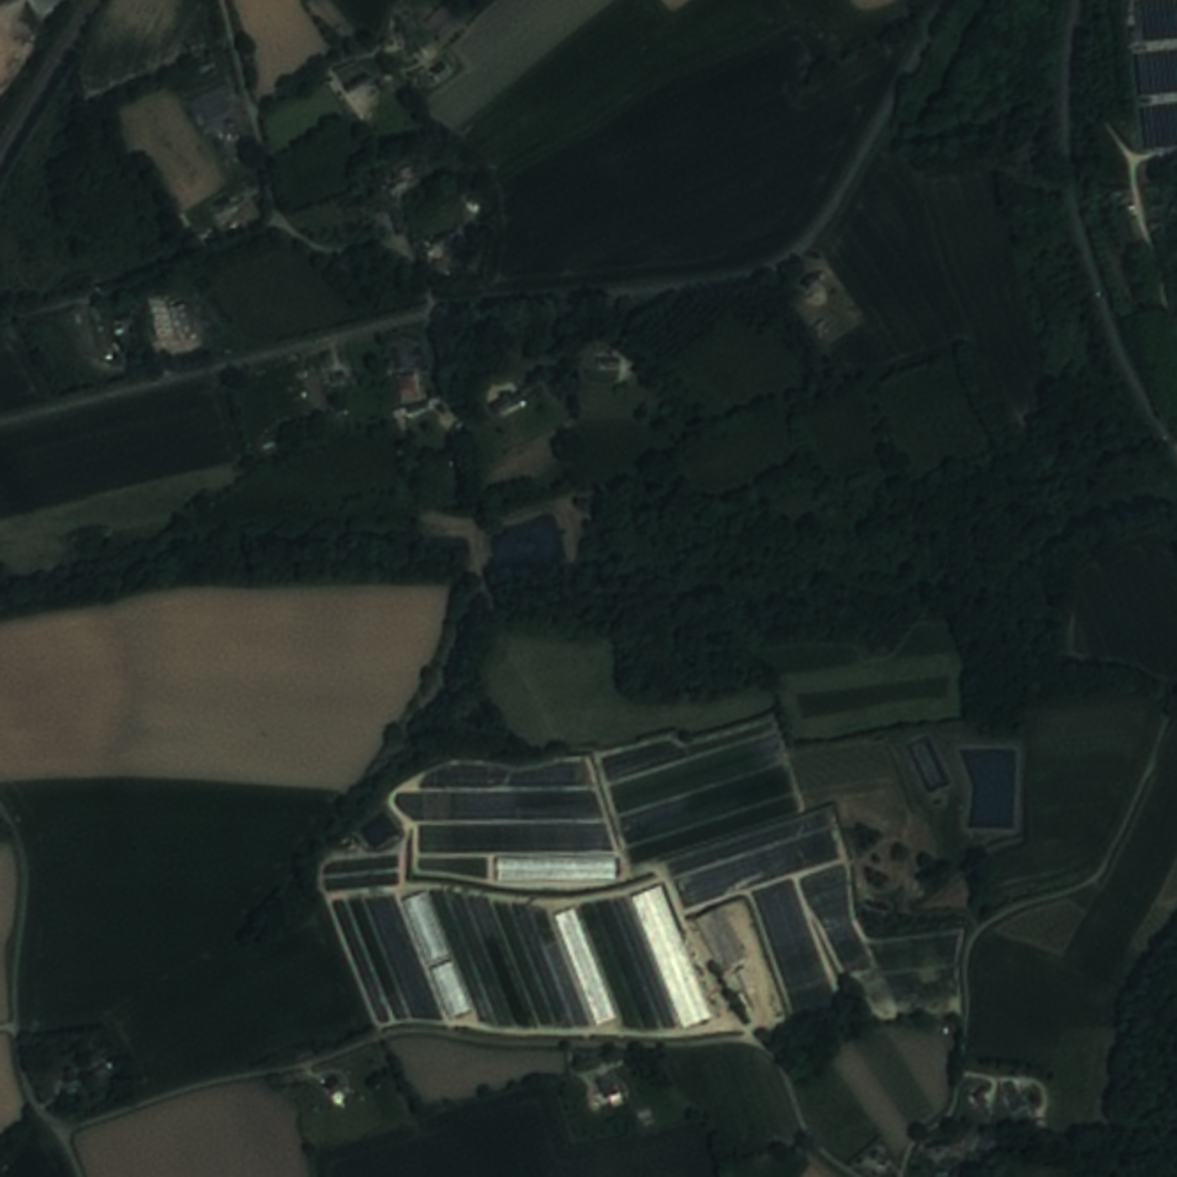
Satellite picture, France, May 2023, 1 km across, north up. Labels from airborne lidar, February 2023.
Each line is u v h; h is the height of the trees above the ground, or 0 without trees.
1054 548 23
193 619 0
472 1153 0
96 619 0
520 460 0
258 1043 0
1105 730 0
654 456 18
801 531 12
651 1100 0
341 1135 0
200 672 0
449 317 26
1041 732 0
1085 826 0
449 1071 0
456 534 0
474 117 0
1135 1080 20
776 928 0
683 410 9
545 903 0
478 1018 0
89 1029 10
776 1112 0
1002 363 0
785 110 0
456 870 0
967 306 0
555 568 17
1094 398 10
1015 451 21
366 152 12
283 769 0
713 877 0
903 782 0
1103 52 20
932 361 9
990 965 0
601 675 0
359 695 0
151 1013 0
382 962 0
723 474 0
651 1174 0
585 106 0
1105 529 24
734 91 0
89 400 0
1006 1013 0
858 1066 0
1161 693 12
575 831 0
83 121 14
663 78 0
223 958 0
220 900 0
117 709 0
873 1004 0
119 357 6
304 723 0
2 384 0
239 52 10
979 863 22
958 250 0
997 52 22
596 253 0
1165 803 0
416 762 12
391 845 0
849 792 0
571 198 0
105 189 6
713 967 10
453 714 22
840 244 0
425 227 0
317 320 0
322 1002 0
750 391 0
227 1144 0
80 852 0
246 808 0
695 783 0
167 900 0
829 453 0
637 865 0
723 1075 0
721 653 19
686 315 29
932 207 0
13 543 0
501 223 0
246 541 12
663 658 19
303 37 0
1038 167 17
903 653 0
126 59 0
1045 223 23
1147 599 0
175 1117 0
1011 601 16
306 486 0
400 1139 0
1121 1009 18
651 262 0
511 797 0
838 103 0
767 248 0
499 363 28
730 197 0
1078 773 0
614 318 13
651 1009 0
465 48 0
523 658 0
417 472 7
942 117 23
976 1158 8
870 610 7
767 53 0
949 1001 0
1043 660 25
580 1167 0
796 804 0
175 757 0
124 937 0
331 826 11
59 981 0
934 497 22
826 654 0
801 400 10
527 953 0
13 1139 12
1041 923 0
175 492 0
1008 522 13
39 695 0
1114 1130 12
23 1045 12
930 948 0
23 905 0
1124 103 8
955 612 22
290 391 0
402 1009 0
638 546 9
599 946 0
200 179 0
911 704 0
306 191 0
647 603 23
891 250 0
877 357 0
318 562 19
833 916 0
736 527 18
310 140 9
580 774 0
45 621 0
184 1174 0
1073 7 0
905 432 0
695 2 0
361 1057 0
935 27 14
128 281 14
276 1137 0
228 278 0
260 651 0
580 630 10
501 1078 0
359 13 0
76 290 10
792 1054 17
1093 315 9
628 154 0
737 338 0
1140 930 0
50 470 0
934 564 11
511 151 0
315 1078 0
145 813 0
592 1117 0
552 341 15
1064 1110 0
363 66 0
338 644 0
